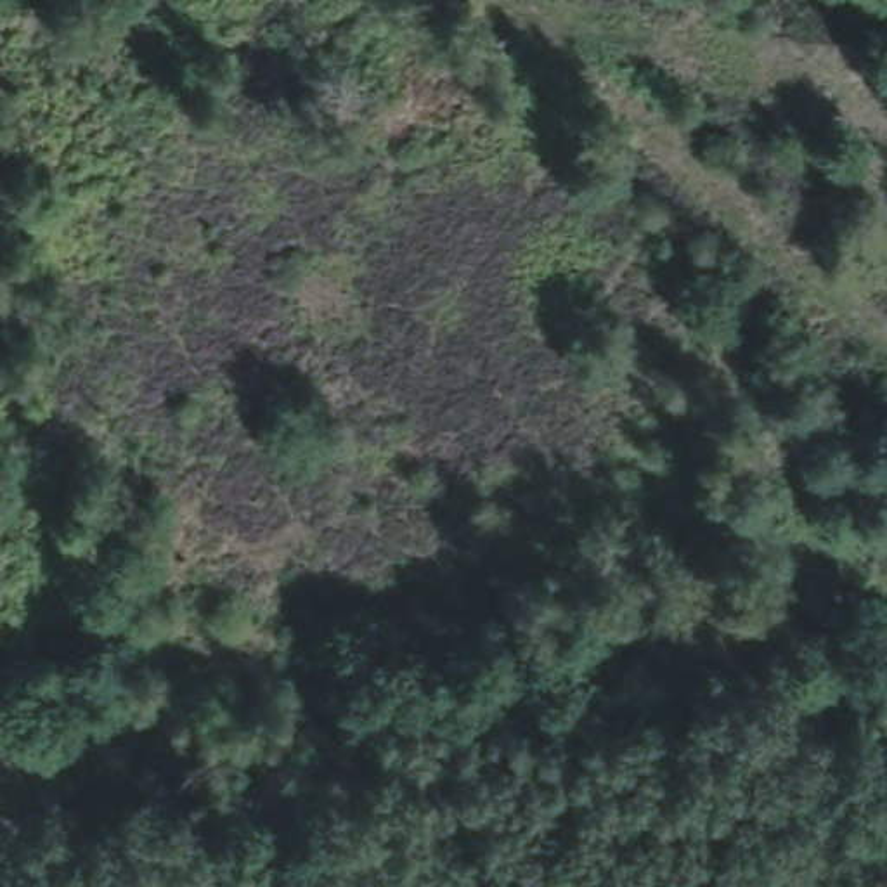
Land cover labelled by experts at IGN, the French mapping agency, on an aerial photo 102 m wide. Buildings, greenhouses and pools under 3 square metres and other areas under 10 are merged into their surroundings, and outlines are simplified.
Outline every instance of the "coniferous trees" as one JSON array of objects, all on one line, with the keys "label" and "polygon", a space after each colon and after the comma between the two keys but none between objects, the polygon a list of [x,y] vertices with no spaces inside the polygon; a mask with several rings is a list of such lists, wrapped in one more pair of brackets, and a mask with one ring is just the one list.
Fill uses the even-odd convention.
[{"label": "coniferous trees", "polygon": [[187,745],[177,752],[173,735],[156,721],[149,728],[125,728],[104,741],[90,741],[59,773],[31,773],[21,783],[21,790],[7,804],[0,804],[0,887],[270,887],[274,838],[253,825],[253,818],[236,800],[229,814],[218,811],[201,745]]},{"label": "coniferous trees", "polygon": [[748,683],[644,679],[599,686],[582,721],[565,735],[547,735],[541,728],[544,714],[537,710],[537,703],[516,700],[502,707],[495,724],[485,735],[478,735],[475,745],[457,745],[444,759],[440,776],[430,787],[419,787],[409,773],[398,769],[381,773],[385,790],[374,804],[374,821],[364,835],[360,852],[353,859],[329,859],[333,887],[887,887],[887,752],[884,741],[873,745],[866,731],[859,731],[835,755],[804,745],[797,738],[797,724],[807,710],[800,707],[800,700],[787,700],[783,693],[776,693],[769,672]]}]

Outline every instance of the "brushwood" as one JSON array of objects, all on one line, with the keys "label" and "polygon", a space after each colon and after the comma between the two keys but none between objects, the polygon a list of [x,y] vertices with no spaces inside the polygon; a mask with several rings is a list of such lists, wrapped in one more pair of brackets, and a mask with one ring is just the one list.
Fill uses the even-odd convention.
[{"label": "brushwood", "polygon": [[17,766],[24,752],[0,735],[0,804],[7,804],[21,790],[21,783],[31,773]]},{"label": "brushwood", "polygon": [[423,45],[416,38],[423,24],[416,7],[381,10],[374,0],[315,0],[315,7],[308,10],[315,24],[333,24],[346,14],[357,21],[350,35],[350,52],[360,52],[357,69],[378,62],[378,73],[392,76],[398,69],[398,55],[416,52]]},{"label": "brushwood", "polygon": [[322,139],[308,139],[295,132],[291,114],[281,114],[277,132],[288,135],[284,142],[301,159],[301,173],[326,180],[336,173],[353,173],[360,166],[360,152],[350,149],[353,139],[346,125]]},{"label": "brushwood", "polygon": [[485,118],[499,118],[492,135],[502,146],[516,149],[527,142],[530,90],[516,83],[513,59],[492,35],[489,14],[468,14],[454,28],[450,49],[423,45],[440,73],[475,83],[471,97],[485,111]]},{"label": "brushwood", "polygon": [[49,31],[38,24],[35,14],[24,14],[14,0],[0,0],[0,710],[21,703],[28,696],[28,686],[45,676],[90,676],[100,655],[100,634],[121,634],[139,651],[177,644],[194,610],[187,603],[173,603],[173,592],[166,586],[177,544],[177,516],[152,516],[152,502],[139,492],[118,482],[100,482],[107,461],[80,426],[52,416],[55,395],[49,385],[55,371],[66,364],[66,357],[87,350],[87,329],[76,326],[80,315],[66,298],[80,284],[107,281],[111,274],[118,274],[118,263],[111,260],[104,236],[97,232],[97,215],[104,211],[104,201],[111,197],[125,204],[149,194],[149,163],[177,156],[180,142],[197,135],[204,142],[218,142],[232,132],[232,100],[243,83],[239,45],[253,35],[253,21],[267,10],[267,0],[152,0],[146,21],[135,28],[125,24],[121,14],[114,14],[97,28]]},{"label": "brushwood", "polygon": [[166,703],[166,683],[152,672],[152,662],[146,655],[135,655],[121,672],[125,728],[149,728],[156,721],[156,714]]}]

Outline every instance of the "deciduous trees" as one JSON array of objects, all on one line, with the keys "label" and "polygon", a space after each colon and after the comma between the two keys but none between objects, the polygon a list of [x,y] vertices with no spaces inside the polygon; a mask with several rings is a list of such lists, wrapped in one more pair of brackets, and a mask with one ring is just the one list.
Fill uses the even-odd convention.
[{"label": "deciduous trees", "polygon": [[329,398],[315,392],[312,402],[305,402],[298,412],[281,412],[274,430],[263,433],[263,440],[277,454],[274,471],[298,478],[301,485],[315,482],[329,464],[357,461],[357,447],[364,444],[353,437],[350,426],[333,426]]},{"label": "deciduous trees", "polygon": [[870,128],[842,125],[835,100],[828,100],[811,80],[787,80],[769,90],[759,90],[752,80],[721,69],[703,87],[696,80],[679,80],[665,73],[648,55],[631,55],[620,62],[624,69],[631,69],[631,90],[648,90],[651,97],[658,97],[669,121],[690,139],[690,152],[700,166],[735,177],[738,187],[752,197],[769,194],[773,173],[800,177],[800,208],[790,229],[790,243],[807,249],[811,263],[821,274],[838,270],[842,239],[852,229],[859,229],[863,215],[873,211],[870,194],[859,180],[866,180],[877,166],[884,170],[887,187],[887,139],[877,139]]},{"label": "deciduous trees", "polygon": [[703,3],[703,17],[714,31],[755,31],[759,24],[773,24],[776,31],[769,42],[835,45],[845,66],[863,76],[870,97],[887,111],[887,0],[658,0],[665,7]]},{"label": "deciduous trees", "polygon": [[35,14],[38,24],[49,31],[97,28],[114,14],[121,14],[125,24],[135,28],[146,21],[152,0],[14,0],[24,14]]},{"label": "deciduous trees", "polygon": [[28,696],[21,703],[0,710],[0,735],[24,752],[17,766],[31,773],[59,773],[90,741],[104,741],[125,728],[121,672],[135,655],[146,655],[152,662],[152,672],[166,683],[166,703],[156,714],[156,721],[173,735],[177,752],[187,745],[201,745],[218,811],[229,814],[236,800],[253,818],[253,825],[274,838],[270,887],[333,887],[329,859],[353,859],[360,852],[364,835],[374,821],[374,804],[385,790],[381,773],[398,769],[409,773],[419,787],[430,787],[440,776],[444,759],[457,745],[475,745],[478,735],[485,735],[495,724],[502,707],[516,700],[537,703],[537,710],[544,714],[541,728],[547,735],[565,735],[582,721],[599,686],[644,679],[748,683],[769,672],[776,693],[783,693],[787,700],[800,700],[800,707],[807,710],[797,724],[797,738],[804,745],[835,755],[859,731],[866,731],[873,745],[884,741],[887,752],[887,346],[873,340],[828,340],[825,346],[814,346],[807,319],[787,319],[787,308],[780,305],[776,291],[766,291],[748,274],[752,249],[745,243],[738,243],[724,225],[710,222],[703,211],[690,208],[665,170],[655,180],[634,180],[638,146],[631,142],[631,135],[613,135],[599,146],[586,146],[579,156],[596,170],[610,173],[610,180],[599,187],[606,208],[631,194],[634,208],[658,208],[665,215],[665,229],[644,236],[638,260],[648,263],[648,281],[658,301],[665,301],[665,308],[683,319],[690,336],[679,343],[665,336],[655,322],[644,322],[634,333],[617,329],[613,312],[606,319],[586,319],[568,329],[568,360],[586,378],[586,388],[596,395],[620,388],[624,381],[631,385],[631,395],[644,402],[655,426],[644,430],[631,416],[624,416],[620,433],[638,450],[662,447],[665,471],[648,471],[638,489],[613,489],[610,499],[589,509],[586,530],[572,537],[568,547],[516,558],[502,582],[495,582],[489,592],[461,606],[457,624],[437,620],[398,627],[378,603],[322,592],[308,606],[308,638],[291,641],[288,648],[288,665],[274,665],[267,651],[243,651],[222,641],[208,644],[204,651],[177,644],[139,651],[121,634],[100,634],[100,655],[90,676],[45,676],[28,686]]}]

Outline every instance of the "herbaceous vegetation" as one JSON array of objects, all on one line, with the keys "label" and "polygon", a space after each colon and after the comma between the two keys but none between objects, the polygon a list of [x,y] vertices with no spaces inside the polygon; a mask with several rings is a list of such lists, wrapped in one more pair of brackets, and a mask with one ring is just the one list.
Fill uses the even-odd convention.
[{"label": "herbaceous vegetation", "polygon": [[[139,492],[152,502],[152,516],[177,516],[177,544],[166,586],[173,592],[173,603],[187,603],[194,610],[177,644],[204,651],[208,644],[222,641],[243,651],[267,651],[274,665],[288,665],[288,648],[291,641],[308,638],[308,606],[322,592],[378,603],[398,627],[437,620],[457,624],[461,606],[489,592],[495,582],[502,582],[516,558],[568,547],[572,537],[586,530],[589,509],[610,499],[613,489],[638,489],[648,471],[665,471],[662,447],[638,450],[620,433],[624,416],[631,416],[644,430],[655,426],[644,402],[631,395],[631,385],[624,381],[620,388],[596,395],[586,388],[586,378],[568,360],[568,329],[586,319],[606,319],[613,312],[617,329],[634,333],[644,322],[655,322],[665,336],[679,343],[690,336],[683,319],[665,308],[665,301],[658,301],[648,281],[648,263],[638,260],[644,236],[665,229],[665,215],[658,208],[634,208],[631,194],[606,208],[599,187],[610,180],[610,173],[596,170],[579,156],[586,146],[599,146],[613,135],[631,135],[631,142],[638,146],[634,180],[655,180],[665,170],[690,208],[703,211],[710,222],[724,225],[738,243],[745,243],[752,249],[748,274],[766,291],[776,291],[780,305],[787,308],[787,319],[807,319],[814,346],[825,346],[828,340],[873,340],[887,346],[887,187],[884,170],[877,166],[866,180],[859,180],[870,194],[873,211],[863,215],[859,229],[852,229],[842,239],[838,270],[821,274],[811,263],[807,249],[790,243],[790,229],[800,208],[800,177],[773,173],[769,194],[752,197],[738,187],[735,177],[700,166],[690,152],[690,139],[669,121],[658,97],[651,97],[648,90],[631,90],[631,69],[624,69],[620,62],[631,55],[648,55],[665,73],[679,80],[696,80],[703,87],[721,69],[752,80],[759,90],[769,90],[787,80],[811,80],[828,100],[835,100],[842,125],[870,128],[877,139],[887,139],[887,111],[870,97],[863,76],[845,66],[835,45],[769,42],[776,31],[773,24],[759,24],[755,31],[714,31],[703,17],[703,3],[665,7],[658,0],[374,0],[381,10],[416,7],[423,24],[416,38],[423,45],[450,49],[454,28],[468,14],[489,14],[492,35],[513,59],[516,83],[530,90],[527,142],[516,149],[502,146],[492,135],[499,118],[485,118],[485,111],[471,97],[475,83],[440,73],[423,45],[416,52],[398,55],[398,69],[392,76],[378,73],[378,62],[357,69],[360,52],[350,52],[350,35],[357,21],[346,14],[333,24],[315,24],[308,10],[315,7],[315,0],[267,0],[267,10],[253,21],[253,35],[239,45],[243,83],[232,100],[232,132],[218,142],[204,142],[197,135],[180,142],[177,156],[149,163],[149,194],[125,204],[111,197],[104,201],[104,211],[97,215],[97,232],[104,236],[111,260],[118,263],[118,274],[111,274],[107,281],[80,284],[66,298],[80,315],[76,326],[87,329],[87,350],[66,357],[66,364],[55,371],[49,385],[55,395],[52,416],[80,426],[107,461],[100,482],[118,482]],[[326,180],[301,173],[301,159],[284,142],[288,135],[277,132],[281,114],[291,114],[295,132],[308,139],[322,139],[346,125],[353,139],[350,149],[360,152],[360,166],[353,173],[336,173]],[[301,485],[298,478],[274,471],[277,454],[263,440],[263,433],[274,430],[281,412],[298,412],[305,402],[312,402],[315,392],[329,398],[333,426],[350,426],[353,437],[364,444],[357,447],[357,461],[329,464],[315,482]]]}]

